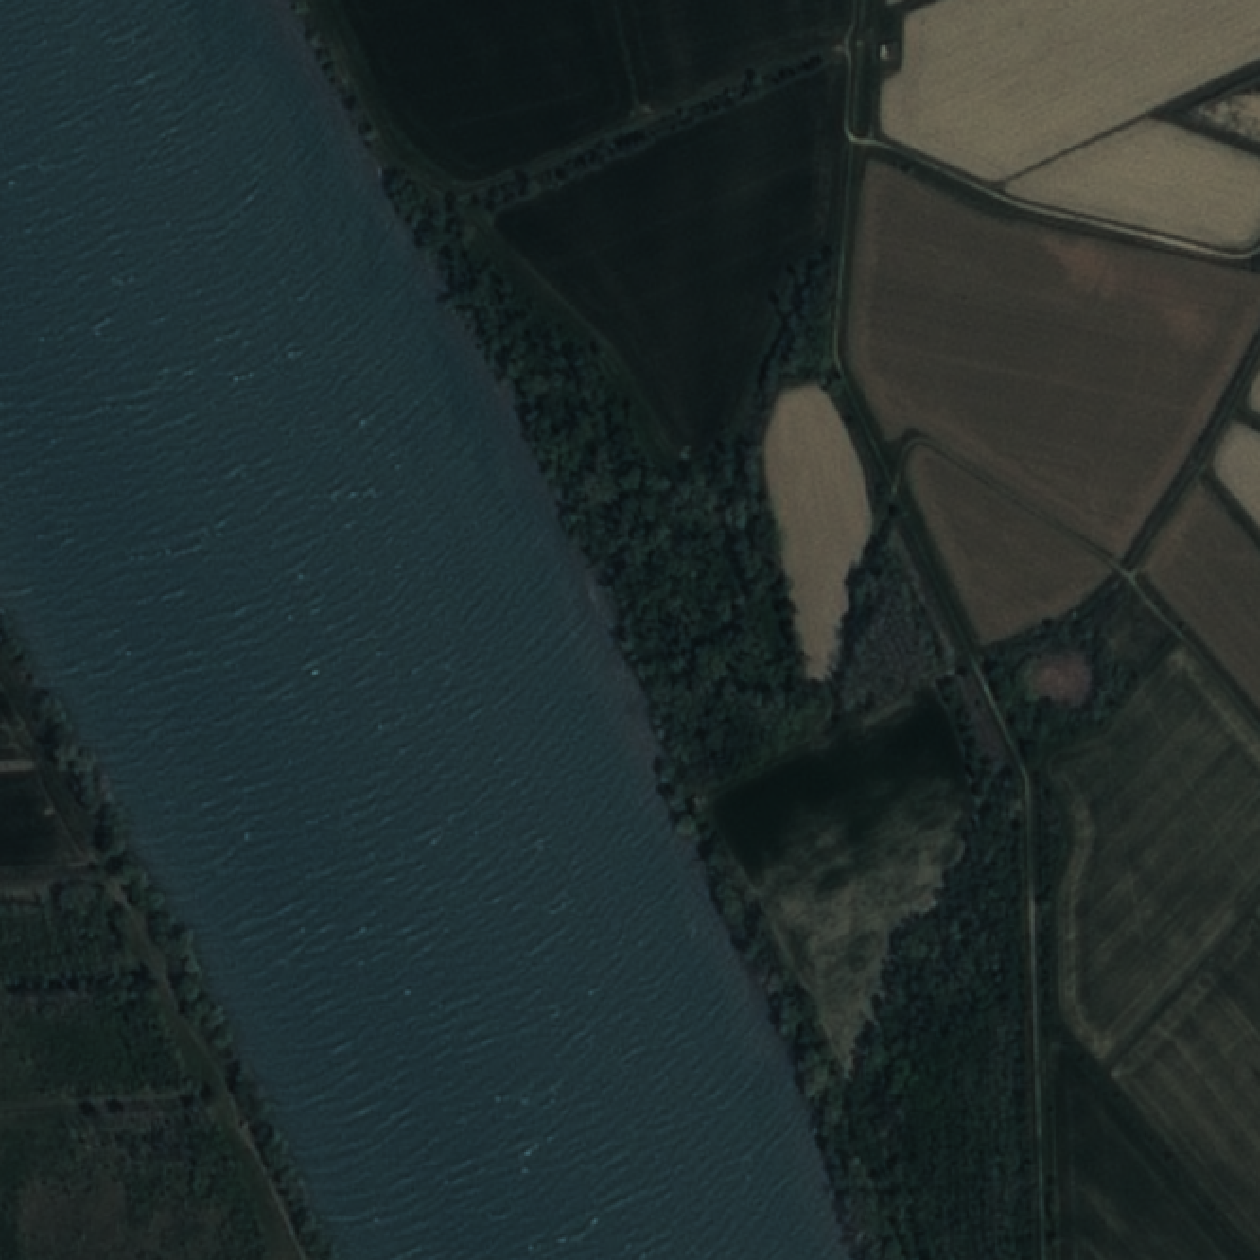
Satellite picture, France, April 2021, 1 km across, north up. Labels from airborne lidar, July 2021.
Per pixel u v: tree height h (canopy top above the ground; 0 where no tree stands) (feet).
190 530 0
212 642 0
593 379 82
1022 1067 42
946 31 0
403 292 0
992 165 0
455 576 0
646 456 35
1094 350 0
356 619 0
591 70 0
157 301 0
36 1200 0
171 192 0
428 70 0
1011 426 0
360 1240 0
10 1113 0
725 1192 0
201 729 0
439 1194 0
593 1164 0
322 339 0
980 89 0
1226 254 0
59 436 0
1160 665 0
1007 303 0
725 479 73
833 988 0
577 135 0
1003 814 40
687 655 32
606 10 0
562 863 0
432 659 0
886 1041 39
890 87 0
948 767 0
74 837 0
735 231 0
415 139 0
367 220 0
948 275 0
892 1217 38
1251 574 0
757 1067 0
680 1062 0
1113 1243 0
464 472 0
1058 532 0
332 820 0
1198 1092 0
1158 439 0
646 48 0
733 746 81
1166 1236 0
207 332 0
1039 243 0
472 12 0
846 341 0
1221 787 0
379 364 0
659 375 0
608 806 0
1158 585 0
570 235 0
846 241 0
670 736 51
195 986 66
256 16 0
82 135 0
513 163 0
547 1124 0
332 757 0
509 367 69
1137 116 0
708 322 0
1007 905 28
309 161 0
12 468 0
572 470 49
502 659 0
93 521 0
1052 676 0
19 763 0
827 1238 0
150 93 0
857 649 103
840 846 0
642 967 0
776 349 30
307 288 0
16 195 0
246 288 0
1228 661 0
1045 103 0
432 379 0
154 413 0
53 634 0
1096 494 0
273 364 0
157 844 0
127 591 0
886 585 69
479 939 0
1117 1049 0
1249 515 0
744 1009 0
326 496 0
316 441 0
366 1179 0
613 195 0
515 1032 0
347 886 0
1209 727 0
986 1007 52
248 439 0
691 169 0
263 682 0
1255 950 0
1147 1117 0
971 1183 26
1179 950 0
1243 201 0
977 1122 72
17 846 0
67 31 0
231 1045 44
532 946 0
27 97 0
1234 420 0
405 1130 0
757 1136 0
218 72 0
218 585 0
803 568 0
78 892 52
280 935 0
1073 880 0
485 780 0
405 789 0
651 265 0
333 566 0
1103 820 0
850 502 0
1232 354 0
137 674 0
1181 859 0
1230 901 0
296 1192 53
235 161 0
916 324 0
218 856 0
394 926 0
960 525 0
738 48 0
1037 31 0
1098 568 0
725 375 0
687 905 0
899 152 0
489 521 0
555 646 0
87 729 0
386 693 0
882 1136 64
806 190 0
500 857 0
